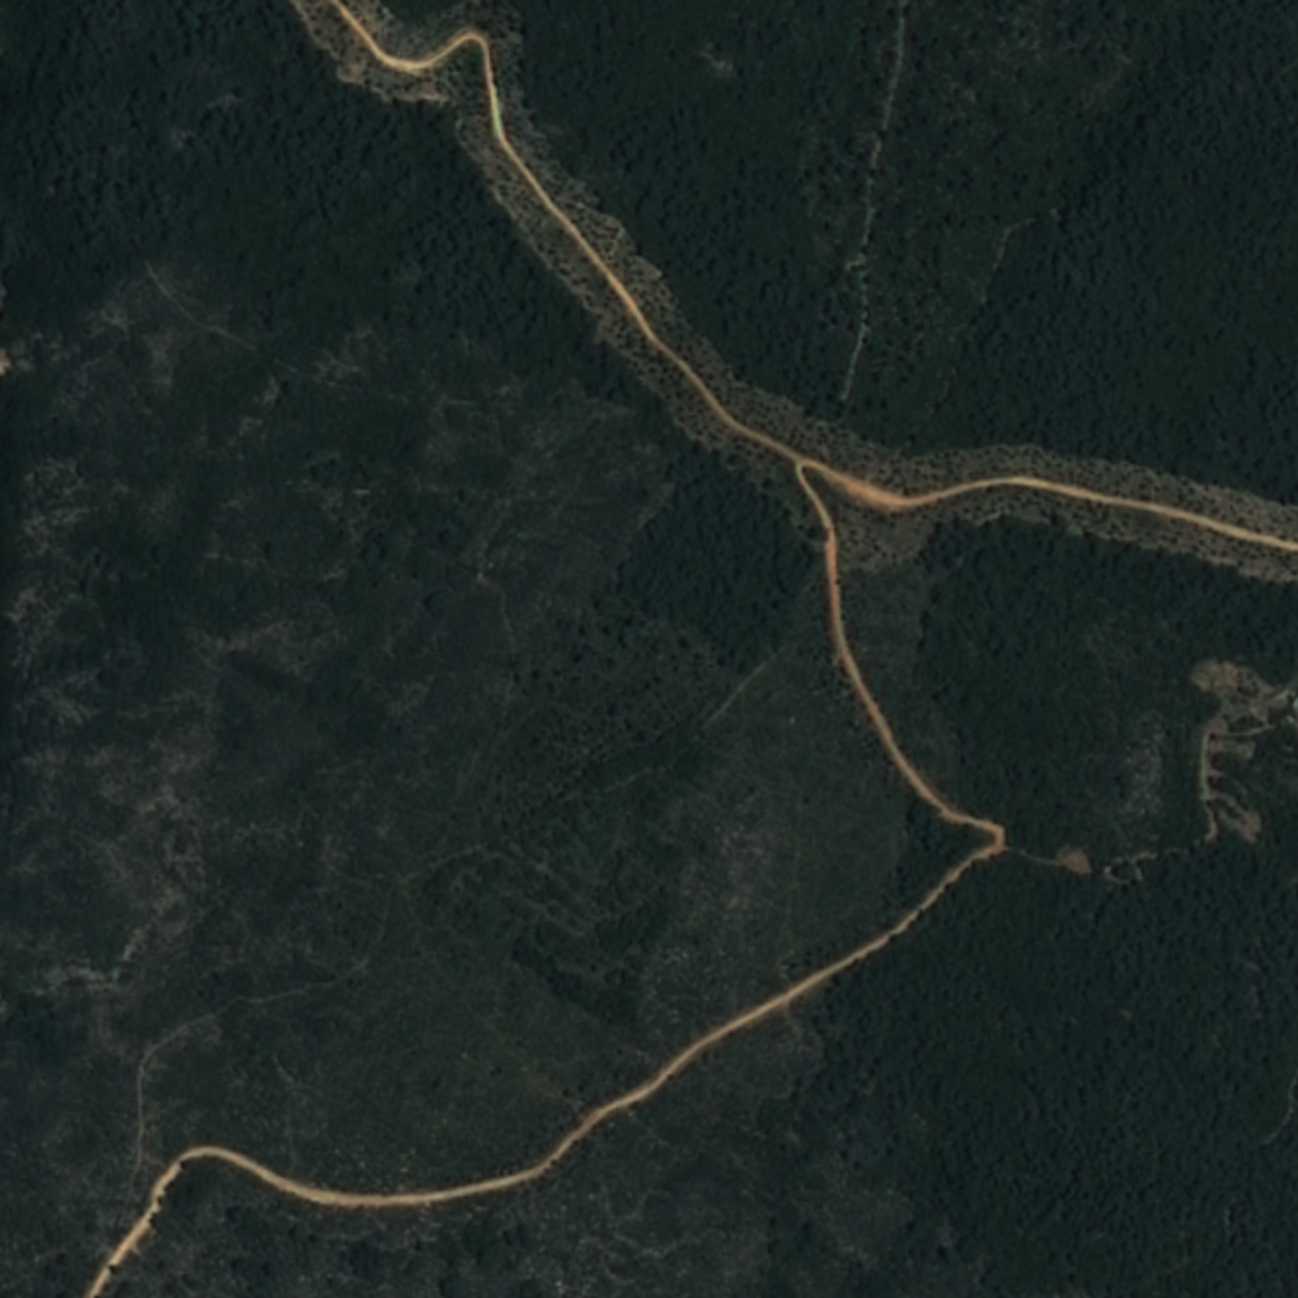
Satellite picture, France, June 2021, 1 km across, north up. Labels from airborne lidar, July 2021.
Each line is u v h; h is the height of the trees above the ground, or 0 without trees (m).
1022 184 12
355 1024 0
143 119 7
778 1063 0
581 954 7
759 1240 0
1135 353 13
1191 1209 14
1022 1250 8
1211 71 17
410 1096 0
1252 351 14
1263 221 7
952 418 9
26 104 15
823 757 0
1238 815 6
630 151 15
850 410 14
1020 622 6
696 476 13
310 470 7
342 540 8
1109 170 15
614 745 6
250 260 14
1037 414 16
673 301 9
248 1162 0
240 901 0
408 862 0
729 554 11
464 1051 0
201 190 6
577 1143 8
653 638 10
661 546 12
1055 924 7
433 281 16
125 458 6
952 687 8
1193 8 8
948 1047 15
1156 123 14
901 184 9
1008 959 7
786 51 6
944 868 6
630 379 8
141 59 8
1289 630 18
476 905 8
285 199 7
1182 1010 5
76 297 6
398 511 6
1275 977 11
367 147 10
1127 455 12
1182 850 6
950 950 10
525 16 9
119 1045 0
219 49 6
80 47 17
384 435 6
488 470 6
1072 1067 7
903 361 15
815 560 17
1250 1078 16
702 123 12
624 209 5
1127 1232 14
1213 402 16
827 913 0
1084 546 7
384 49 0
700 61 11
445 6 6
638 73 6
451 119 13
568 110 6
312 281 9
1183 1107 7
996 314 13
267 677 8
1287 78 12
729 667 16
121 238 14
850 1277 7
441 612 13
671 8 7
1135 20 10
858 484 0
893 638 0
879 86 12
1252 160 6
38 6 12
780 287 16
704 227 14
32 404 6
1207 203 7
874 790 0
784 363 8
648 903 7
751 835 0
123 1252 0
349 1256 10
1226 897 10
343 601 6
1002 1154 6
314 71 14
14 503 7
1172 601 13
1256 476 7
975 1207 16
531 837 7
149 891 0
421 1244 10
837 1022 16
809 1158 12
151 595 7
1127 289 7
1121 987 18
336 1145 0
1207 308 7
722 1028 0
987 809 10
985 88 6
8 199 11
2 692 10
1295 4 12
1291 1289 14
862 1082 11
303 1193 0
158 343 0
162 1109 0
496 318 14
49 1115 0
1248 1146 12
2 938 0
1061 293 5
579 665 16
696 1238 0
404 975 0
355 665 11
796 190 13
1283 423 6
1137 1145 6
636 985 8
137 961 0
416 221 9
